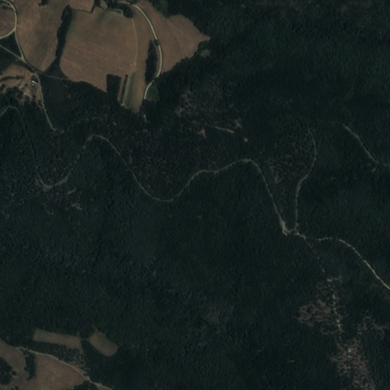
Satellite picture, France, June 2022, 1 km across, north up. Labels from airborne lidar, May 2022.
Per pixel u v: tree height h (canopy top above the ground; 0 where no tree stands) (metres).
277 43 13
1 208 12
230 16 11
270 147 13
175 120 20
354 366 14
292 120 17
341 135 15
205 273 15
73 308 21
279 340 15
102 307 14
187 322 15
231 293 16
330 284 12
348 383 8
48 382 0
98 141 17
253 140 13
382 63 15
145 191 10
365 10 7
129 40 0
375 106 13
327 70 15
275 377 20
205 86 11
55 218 8
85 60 0
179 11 11
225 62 12
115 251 12
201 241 12
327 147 17
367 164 18
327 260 13
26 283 20
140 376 13
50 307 17
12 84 0
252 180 15
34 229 12
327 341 9
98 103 14
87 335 10
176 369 19
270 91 15
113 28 0
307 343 12
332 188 19
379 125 16
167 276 15
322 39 17
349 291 6
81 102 12
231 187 14
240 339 14
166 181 12
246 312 14
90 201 17
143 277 23
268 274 12
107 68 0
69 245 12
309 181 14
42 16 0
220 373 14
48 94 9
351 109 15
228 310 12
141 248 14
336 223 15
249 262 17
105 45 0
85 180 10
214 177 11
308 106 15
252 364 11
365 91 14
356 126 13
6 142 19
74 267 15
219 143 9
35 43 0
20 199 16
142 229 15
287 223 11
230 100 15
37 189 16
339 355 12
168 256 16
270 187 13
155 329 10
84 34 0
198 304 10
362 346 14
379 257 15
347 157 18
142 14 0
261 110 14
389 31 11
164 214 15
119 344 17
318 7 13
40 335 0
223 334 17
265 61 11
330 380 11
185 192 14
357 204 17
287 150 14
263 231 12
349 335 12
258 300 14
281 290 16
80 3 0
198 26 15
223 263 17
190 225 14
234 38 15
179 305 16
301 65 13
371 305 19
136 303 15
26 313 19
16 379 0
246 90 18
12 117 18
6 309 21
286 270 10
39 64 0
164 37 0
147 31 0
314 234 12
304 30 20
